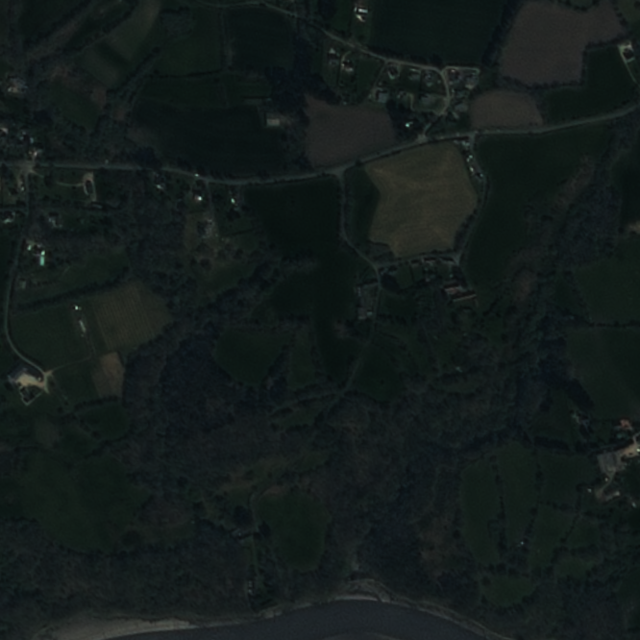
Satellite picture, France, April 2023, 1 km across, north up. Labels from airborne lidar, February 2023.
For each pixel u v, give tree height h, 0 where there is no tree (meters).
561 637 24
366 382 0
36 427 0
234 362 0
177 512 20
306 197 0
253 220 9
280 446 15
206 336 20
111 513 0
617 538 16
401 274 0
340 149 0
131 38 0
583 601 30
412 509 19
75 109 0
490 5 0
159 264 8
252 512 9
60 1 0
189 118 0
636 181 0
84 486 0
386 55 13
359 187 0
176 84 0
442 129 7
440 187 0
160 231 13
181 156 0
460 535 12
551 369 14
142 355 10
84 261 10
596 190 14
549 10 0
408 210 0
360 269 0
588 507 0
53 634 0
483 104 0
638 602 0
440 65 17
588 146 0
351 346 0
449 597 17
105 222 11
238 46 0
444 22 0
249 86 0
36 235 15
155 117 0
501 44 13
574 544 0
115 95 11
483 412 8
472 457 13
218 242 0
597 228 19
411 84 0
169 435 21
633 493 0
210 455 18
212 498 13
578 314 0
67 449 0
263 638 0
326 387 10
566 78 0
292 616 0
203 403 13
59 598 14
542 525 0
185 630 0
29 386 0
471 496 0
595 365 0
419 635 0
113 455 13
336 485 24
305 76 25
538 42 0
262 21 0
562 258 22
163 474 20
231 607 18
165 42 0
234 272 0
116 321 0
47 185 11
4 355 0
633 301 0
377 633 0
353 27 0
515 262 0
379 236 0
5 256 0
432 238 0
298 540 0
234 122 0
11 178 14
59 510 0
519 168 0
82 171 0
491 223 0
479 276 0
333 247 0
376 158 0
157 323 0
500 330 0
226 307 19
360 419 12
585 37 0
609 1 12
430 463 13
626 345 0
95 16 0
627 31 6
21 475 0
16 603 24
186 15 11
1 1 0
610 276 0
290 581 14
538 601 17
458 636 0
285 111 8
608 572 12
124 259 0
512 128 0
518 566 14
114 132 11
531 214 8
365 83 0
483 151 0
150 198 15
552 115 0
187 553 15
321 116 0
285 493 0
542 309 11
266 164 0
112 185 11
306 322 12
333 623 0
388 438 10
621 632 12
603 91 0
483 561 0
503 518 10
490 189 9
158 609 9
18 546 13
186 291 16
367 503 19
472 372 11
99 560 10
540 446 16
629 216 0
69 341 0
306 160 15
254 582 0
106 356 0
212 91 0
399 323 11
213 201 7
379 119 0
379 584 9
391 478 22
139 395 27
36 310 8
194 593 16
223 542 19
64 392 0
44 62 10
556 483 0
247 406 17
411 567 17
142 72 9
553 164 0
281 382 22
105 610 15
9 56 14
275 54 0
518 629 17
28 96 12
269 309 0
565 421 0
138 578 15
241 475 0
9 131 15
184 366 21
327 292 0
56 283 8
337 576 23
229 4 0
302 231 0
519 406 23
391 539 17
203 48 0
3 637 19
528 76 0
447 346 0
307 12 17
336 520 14
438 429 23
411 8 0
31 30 0
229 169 0
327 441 15
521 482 0
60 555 11
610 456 0
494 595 0
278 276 14
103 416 0
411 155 0
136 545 0
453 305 7
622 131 13
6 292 0
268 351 0
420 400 16
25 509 0
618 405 0
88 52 0
